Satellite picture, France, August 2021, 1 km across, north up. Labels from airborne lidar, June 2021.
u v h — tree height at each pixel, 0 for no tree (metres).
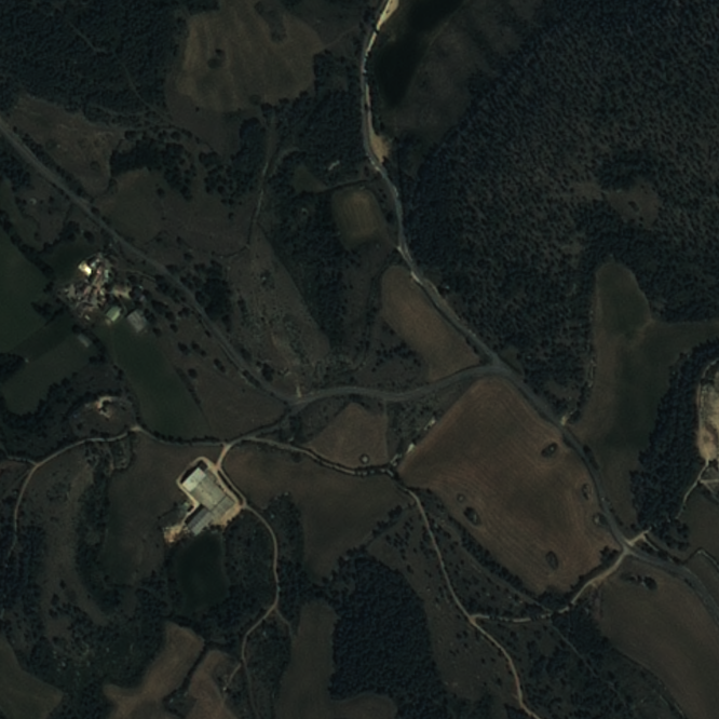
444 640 0
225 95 0
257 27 0
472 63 0
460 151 12
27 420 12
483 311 7
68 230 8
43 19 11
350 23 0
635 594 0
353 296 0
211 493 0
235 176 8
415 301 0
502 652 7
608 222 18
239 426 0
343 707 0
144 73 13
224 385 0
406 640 15
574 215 13
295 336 0
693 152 15
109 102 13
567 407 12
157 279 7
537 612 9
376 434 0
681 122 17
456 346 0
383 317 0
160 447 0
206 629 7
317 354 0
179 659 0
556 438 0
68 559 0
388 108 0
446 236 16
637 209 7
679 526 15
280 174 6
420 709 14
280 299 0
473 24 0
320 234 7
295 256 6
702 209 12
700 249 13
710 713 0
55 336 0
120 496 0
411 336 0
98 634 6
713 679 0
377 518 0
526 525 0
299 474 0
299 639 0
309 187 0
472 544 10
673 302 10
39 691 0
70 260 0
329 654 0
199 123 0
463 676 0
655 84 16
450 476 0
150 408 0
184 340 0
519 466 0
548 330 12
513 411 0
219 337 0
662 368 0
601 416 0
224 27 0
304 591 11
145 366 0
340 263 9
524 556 0
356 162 9
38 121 0
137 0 14
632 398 0
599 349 0
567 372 9
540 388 9
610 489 0
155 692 0
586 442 0
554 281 11
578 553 0
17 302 0
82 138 0
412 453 0
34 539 7
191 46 0
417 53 0
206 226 0
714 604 0
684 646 0
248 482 0
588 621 6
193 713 0
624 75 18
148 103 7
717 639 0
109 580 8
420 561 0
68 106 7
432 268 11
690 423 11
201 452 0
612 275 0
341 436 0
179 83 0
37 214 0
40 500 0
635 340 0
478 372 0
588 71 19
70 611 11
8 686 0
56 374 0
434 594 0
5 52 7
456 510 0
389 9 0
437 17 0
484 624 8
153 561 0
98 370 0
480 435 0
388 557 0
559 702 8
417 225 12
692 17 14
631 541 0
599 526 0
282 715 0
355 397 12
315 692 0
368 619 15
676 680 0
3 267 0
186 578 0
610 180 9
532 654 9
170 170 10
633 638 0
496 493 0
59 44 10
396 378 0
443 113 0
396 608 9
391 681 17
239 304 8
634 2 17
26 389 0
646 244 11
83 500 0
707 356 10
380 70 0
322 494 0
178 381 0
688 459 13
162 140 8
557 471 0
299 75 0
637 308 0
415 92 0
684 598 0
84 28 12
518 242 13
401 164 9
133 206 0
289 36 0
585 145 15
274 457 0
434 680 11
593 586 0
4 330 0
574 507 0
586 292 12
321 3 0
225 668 0
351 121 9
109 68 8
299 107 10
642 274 14
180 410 0
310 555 0
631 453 0
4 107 9
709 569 0
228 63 0
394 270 0
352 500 0
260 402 0
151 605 10
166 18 12
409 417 0
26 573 8
